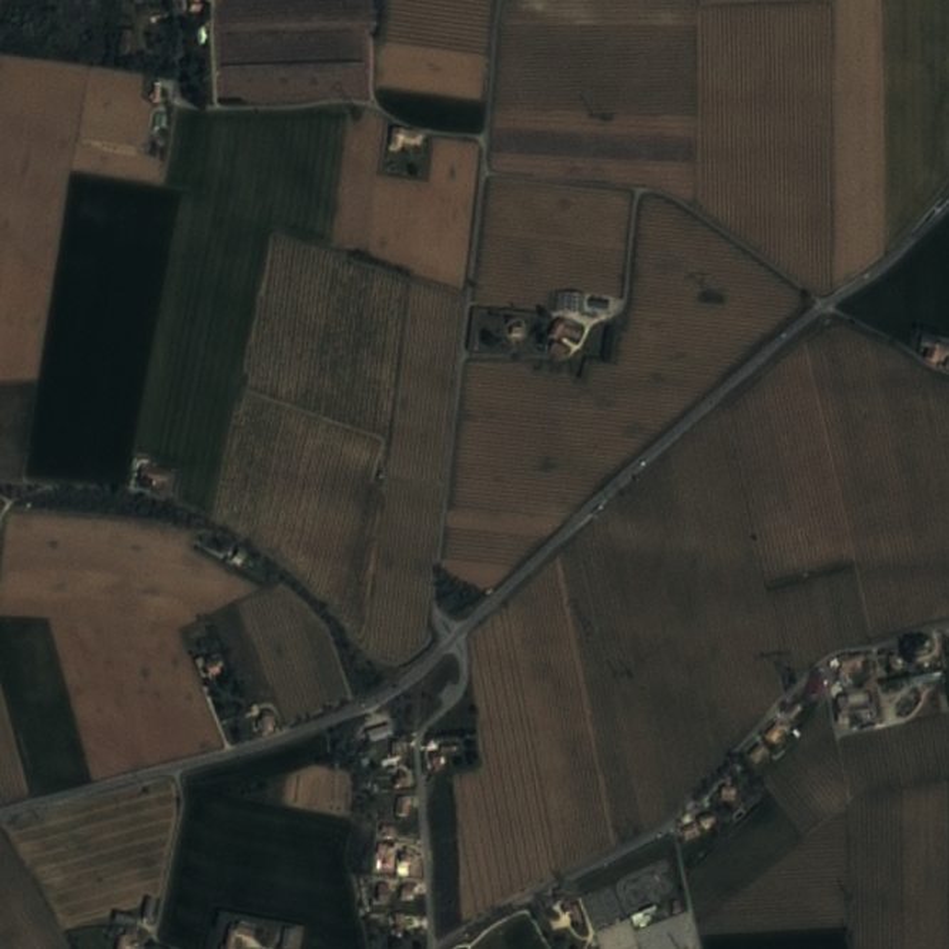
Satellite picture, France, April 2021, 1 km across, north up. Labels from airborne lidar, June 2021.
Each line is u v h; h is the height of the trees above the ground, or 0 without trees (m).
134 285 0
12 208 0
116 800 0
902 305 0
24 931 0
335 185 0
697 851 0
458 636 0
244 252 0
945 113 0
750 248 0
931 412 0
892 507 0
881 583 0
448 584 11
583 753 0
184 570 0
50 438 0
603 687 0
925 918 0
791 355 0
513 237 0
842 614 0
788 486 0
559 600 0
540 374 0
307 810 0
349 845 0
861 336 0
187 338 0
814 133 0
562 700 0
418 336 0
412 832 0
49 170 0
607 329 6
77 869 0
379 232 0
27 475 0
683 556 0
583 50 0
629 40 0
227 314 0
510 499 0
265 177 0
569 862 0
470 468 0
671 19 0
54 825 0
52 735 0
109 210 0
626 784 0
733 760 13
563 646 0
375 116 0
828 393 0
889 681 8
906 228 0
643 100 0
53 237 0
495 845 0
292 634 0
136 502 11
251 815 0
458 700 0
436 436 0
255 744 0
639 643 0
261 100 0
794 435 0
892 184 0
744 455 0
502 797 0
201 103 14
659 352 0
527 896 0
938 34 0
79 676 0
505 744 0
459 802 0
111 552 0
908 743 0
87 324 0
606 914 0
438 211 0
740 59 0
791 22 0
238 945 11
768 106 0
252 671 0
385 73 0
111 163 0
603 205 0
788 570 0
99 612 0
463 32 0
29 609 0
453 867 0
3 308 0
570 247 0
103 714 0
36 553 0
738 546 0
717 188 0
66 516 0
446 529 0
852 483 0
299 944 0
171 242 0
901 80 0
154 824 0
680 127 0
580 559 0
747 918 0
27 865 0
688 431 0
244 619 0
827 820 0
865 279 0
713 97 0
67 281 0
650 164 0
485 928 9
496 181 0
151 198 0
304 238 0
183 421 0
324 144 0
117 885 0
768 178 0
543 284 0
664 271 0
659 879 0
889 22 0
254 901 0
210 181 0
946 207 0
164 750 0
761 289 0
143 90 0
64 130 0
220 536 11
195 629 0
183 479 0
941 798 0
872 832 0
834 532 0
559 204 0
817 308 0
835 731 0
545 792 0
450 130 0
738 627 0
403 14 0
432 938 0
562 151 0
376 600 0
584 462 0
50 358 0
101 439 0
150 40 11
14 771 0
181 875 0
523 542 0
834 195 0
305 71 0
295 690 0
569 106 0
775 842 0
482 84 0
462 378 0
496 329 0
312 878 0
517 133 0
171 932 0
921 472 0
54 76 0
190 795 0
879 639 0
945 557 0
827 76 0
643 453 0
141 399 0
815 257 0
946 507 0
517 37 0
